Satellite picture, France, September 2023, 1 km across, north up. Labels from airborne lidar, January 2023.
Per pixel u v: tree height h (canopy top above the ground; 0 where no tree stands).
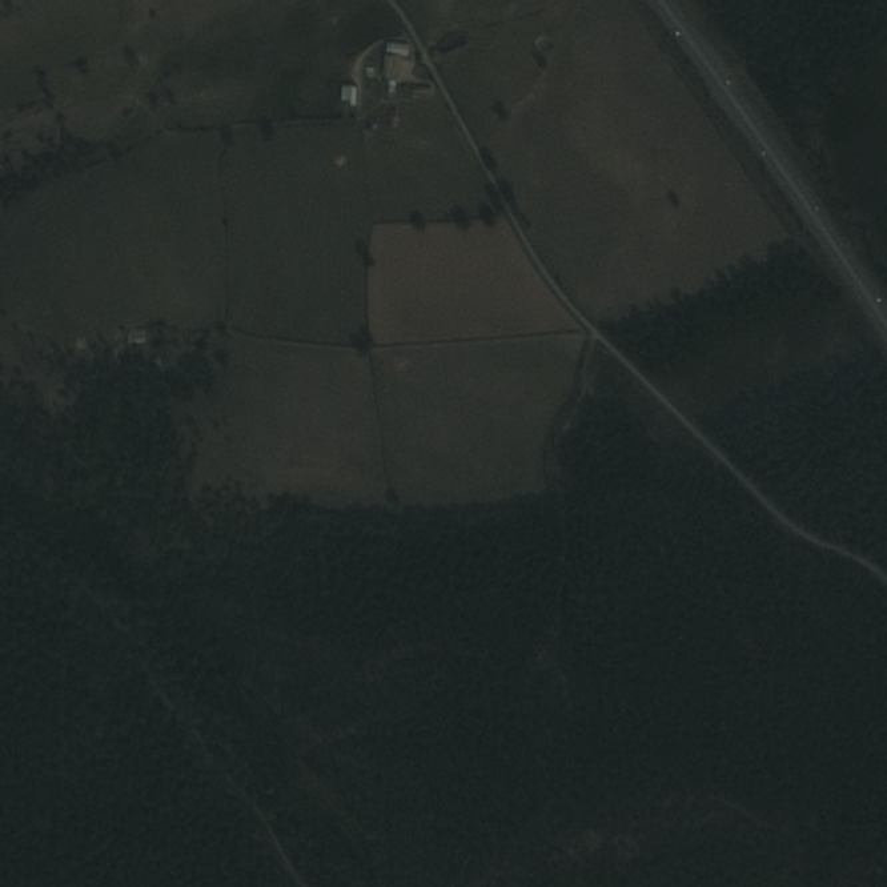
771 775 21
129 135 0
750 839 10
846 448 28
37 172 22
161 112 0
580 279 0
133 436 18
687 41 0
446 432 0
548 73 0
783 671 18
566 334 0
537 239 0
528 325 0
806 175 0
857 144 0
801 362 0
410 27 0
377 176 0
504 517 15
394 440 0
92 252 0
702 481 17
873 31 18
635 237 0
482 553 15
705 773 21
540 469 0
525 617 19
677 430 0
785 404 20
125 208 0
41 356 8
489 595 18
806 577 17
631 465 13
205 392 8
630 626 20
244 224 0
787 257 17
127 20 0
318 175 0
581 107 0
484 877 11
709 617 19
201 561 17
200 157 0
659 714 19
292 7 0
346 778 17
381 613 18
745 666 11
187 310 0
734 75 0
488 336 0
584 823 11
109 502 21
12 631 18
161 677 19
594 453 14
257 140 0
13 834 18
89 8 0
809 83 20
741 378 0
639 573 18
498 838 15
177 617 20
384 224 0
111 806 20
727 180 0
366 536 17
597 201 0
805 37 22
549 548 15
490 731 22
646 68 0
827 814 21
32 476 12
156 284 0
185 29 0
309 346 0
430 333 0
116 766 19
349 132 0
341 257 0
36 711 18
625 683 20
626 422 13
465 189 0
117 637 21
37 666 21
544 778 19
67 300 0
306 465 0
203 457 0
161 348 12
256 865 23
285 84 0
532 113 0
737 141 0
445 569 19
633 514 16
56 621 19
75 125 0
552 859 10
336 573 21
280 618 9
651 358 17
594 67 0
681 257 0
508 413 0
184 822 19
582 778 22
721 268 0
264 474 0
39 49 0
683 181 0
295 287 0
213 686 23
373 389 0
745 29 6
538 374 0
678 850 17
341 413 0
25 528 22
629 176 0
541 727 19
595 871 13
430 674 12
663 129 0
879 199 0
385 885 22
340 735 17
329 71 0
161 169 0
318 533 13
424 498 0
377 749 17
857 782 21
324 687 17
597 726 23
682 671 21
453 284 0
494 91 0
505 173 0
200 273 0
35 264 0
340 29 0
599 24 0
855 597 20
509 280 0
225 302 0
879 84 0
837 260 0
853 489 29
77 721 18
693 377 0
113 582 13
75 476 21
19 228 0
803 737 18
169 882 22
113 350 7
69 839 25
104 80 0
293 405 0
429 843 19
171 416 10
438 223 0
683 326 15
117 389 19
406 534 23
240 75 0
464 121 0
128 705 19
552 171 0
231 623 11
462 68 0
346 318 0
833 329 0
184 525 10
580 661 21
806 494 19
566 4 0
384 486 0
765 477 19
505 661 15
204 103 0
